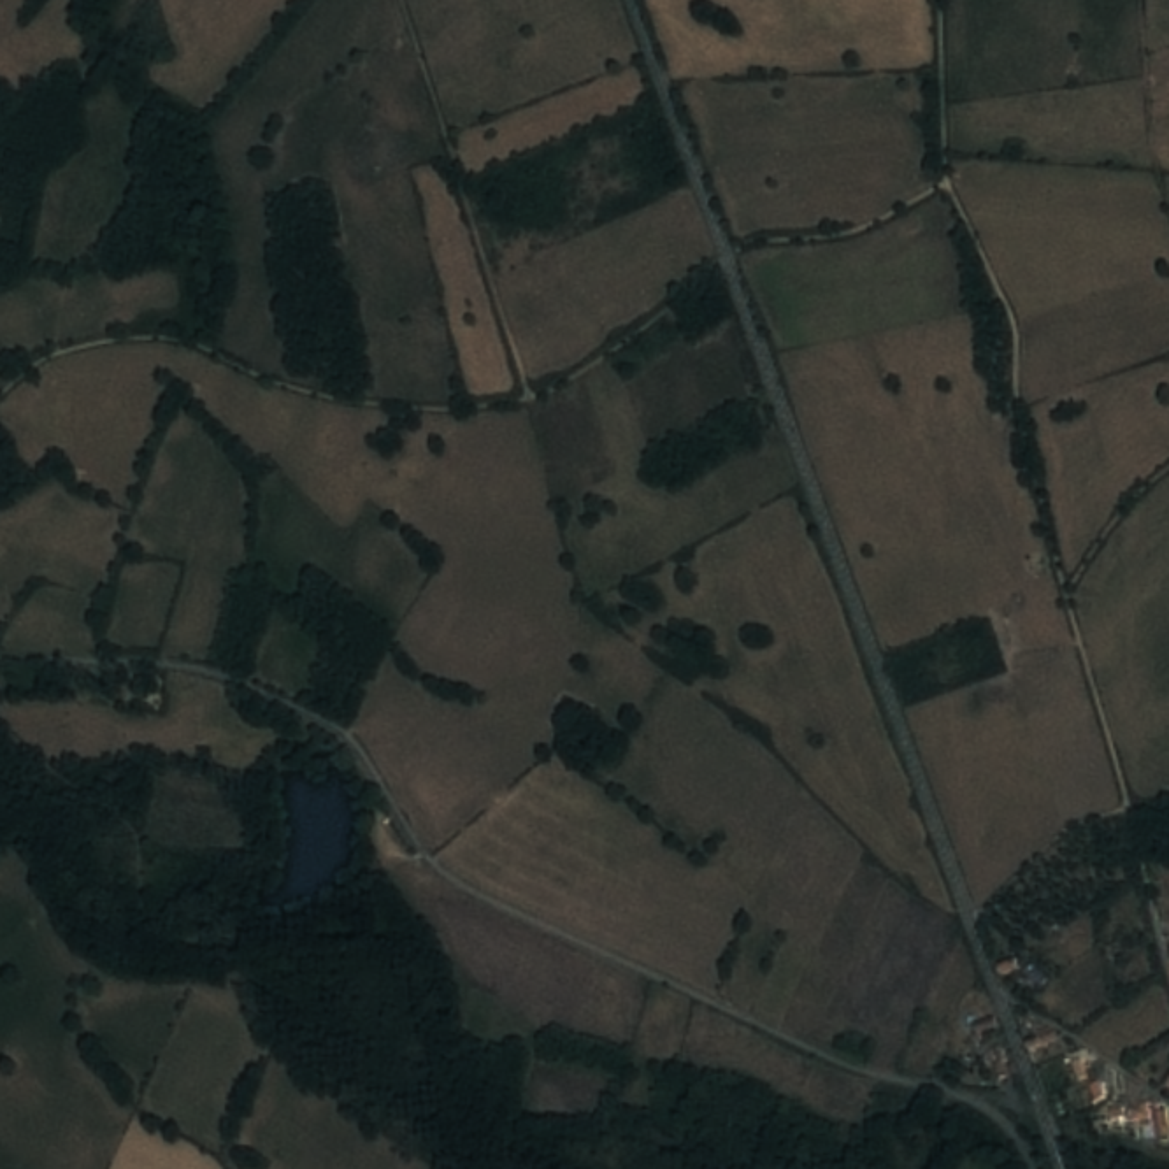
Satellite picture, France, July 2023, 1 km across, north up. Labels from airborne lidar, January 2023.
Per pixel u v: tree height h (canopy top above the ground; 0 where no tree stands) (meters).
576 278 0
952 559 0
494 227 0
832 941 0
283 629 0
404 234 0
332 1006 20
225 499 0
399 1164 0
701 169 0
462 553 0
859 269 0
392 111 0
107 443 0
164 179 23
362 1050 20
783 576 0
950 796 0
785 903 0
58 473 18
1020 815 0
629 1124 18
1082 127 0
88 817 15
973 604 0
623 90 0
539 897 0
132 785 16
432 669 0
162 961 20
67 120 10
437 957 18
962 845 0
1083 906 9
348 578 0
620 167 0
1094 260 0
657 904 0
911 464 0
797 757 0
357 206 0
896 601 0
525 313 0
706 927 0
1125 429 0
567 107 0
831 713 0
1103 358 0
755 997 0
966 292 9
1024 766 0
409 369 0
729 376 0
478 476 0
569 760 16
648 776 0
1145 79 0
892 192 0
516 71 0
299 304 13
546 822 0
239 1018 0
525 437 0
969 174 0
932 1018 0
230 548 0
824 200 0
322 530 0
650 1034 0
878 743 0
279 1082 0
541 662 0
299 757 16
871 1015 0
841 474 0
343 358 11
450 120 0
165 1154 0
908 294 0
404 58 0
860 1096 0
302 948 25
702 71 0
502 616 0
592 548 0
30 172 15
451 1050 22
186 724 0
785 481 0
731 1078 14
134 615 0
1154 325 0
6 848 15
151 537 0
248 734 0
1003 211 0
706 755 0
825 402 0
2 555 0
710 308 14
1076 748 0
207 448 0
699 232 0
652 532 0
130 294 0
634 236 0
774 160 0
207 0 0
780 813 0
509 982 0
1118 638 0
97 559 0
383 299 0
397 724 0
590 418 0
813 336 0
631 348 7
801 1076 0
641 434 0
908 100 0
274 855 18
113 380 0
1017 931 13
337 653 14
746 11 0
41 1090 0
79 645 0
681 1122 20
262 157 16
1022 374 0
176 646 0
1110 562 0
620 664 0
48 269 15
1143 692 0
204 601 0
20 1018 0
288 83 0
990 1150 23
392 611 0
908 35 0
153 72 0
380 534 0
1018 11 0
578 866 0
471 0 0
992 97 0
